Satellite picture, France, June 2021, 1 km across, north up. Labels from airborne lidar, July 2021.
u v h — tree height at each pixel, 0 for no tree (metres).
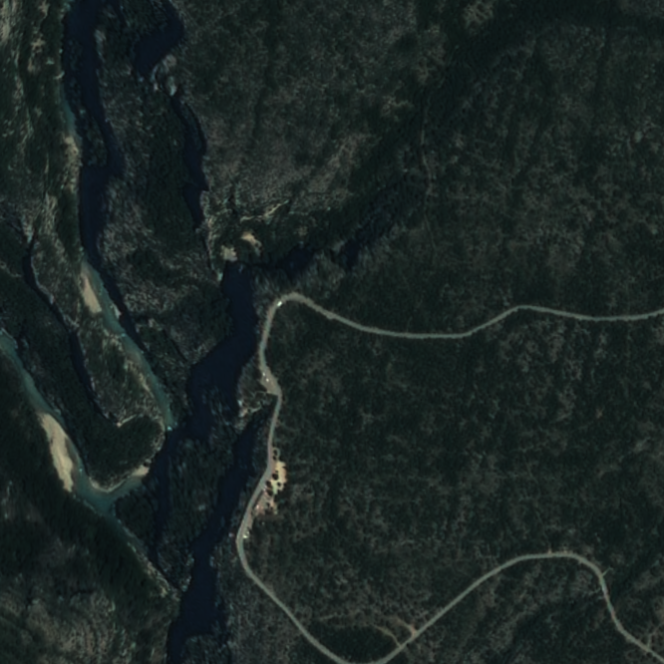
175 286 15
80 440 6
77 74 8
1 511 13
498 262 7
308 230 9
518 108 6
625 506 7
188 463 8
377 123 7
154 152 11
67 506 25
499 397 6
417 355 6
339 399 7
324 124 10
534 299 6
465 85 6
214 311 8
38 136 18
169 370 7
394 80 8
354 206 16
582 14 8
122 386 11
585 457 6
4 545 17
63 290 8
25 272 10
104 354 8
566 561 6
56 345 13
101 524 19
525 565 6
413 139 8
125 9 9
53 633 0
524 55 7
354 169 7
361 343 6
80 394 10
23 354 29
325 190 12
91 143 37
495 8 6
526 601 8
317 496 6
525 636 6
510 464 6
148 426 12
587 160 7
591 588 8
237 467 8
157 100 8
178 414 7
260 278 14
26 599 6
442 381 6
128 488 0
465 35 9
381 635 7
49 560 9
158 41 9
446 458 7
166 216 7
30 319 12
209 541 15
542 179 6
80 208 0
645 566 8
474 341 5
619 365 6
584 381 8
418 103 8
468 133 9
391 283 6
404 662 7
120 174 7
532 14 6
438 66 6
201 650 14
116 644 9
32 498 11
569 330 5
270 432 0
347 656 6
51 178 12
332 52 5
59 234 13
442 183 7
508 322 7
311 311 6
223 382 15
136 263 8
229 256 0
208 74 7
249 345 7
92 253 22
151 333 11
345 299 5
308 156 6
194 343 7
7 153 10
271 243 14
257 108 8
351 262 16
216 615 56
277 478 9
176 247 7
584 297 7
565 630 6
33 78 18
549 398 7
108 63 12
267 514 7
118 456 9
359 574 6
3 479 12
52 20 19
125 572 29
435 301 6
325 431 6
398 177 8
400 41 8
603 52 6
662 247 6
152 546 8
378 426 6
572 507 6
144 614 10
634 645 6
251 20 8
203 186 9
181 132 11
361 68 6
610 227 7
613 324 8
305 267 19
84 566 12
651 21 6
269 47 5
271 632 6
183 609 19
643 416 7
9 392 15
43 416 0
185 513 8
